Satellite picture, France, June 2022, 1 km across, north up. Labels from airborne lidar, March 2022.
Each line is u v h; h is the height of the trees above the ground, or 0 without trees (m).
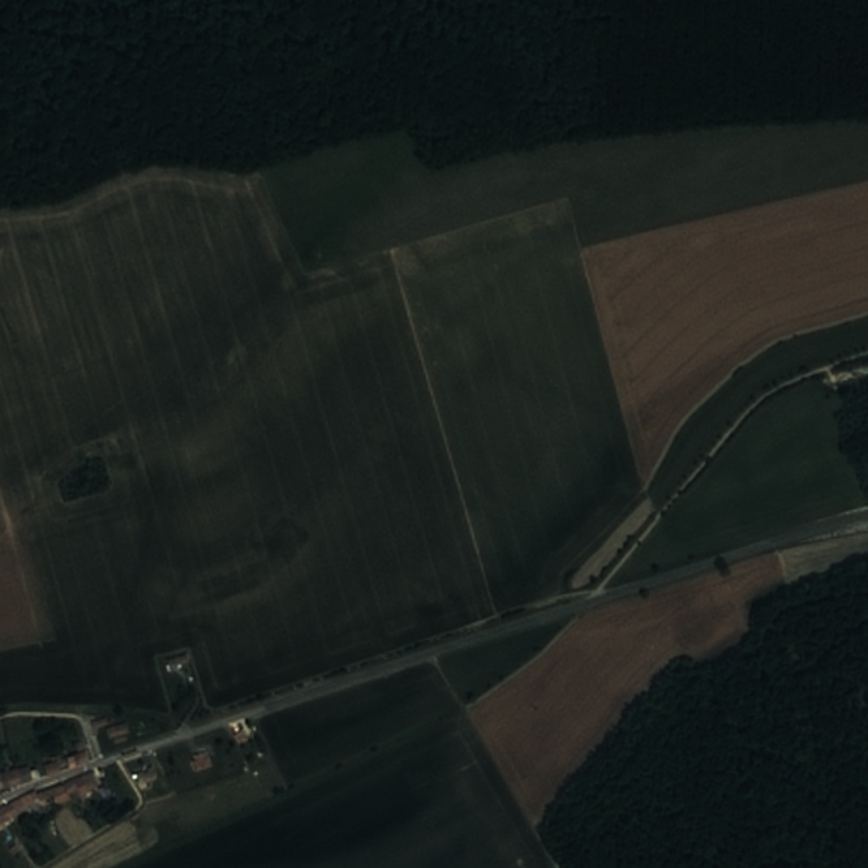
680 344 0
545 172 0
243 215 0
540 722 0
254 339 0
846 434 7
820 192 0
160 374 0
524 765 0
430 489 0
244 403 0
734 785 22
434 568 0
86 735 0
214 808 0
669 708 16
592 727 0
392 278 0
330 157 0
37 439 0
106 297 0
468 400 0
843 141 0
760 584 0
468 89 25
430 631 0
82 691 0
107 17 25
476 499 0
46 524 0
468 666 0
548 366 0
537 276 0
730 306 0
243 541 0
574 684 0
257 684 0
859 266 0
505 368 0
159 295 0
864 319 0
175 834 0
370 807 0
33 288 0
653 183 0
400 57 29
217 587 0
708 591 0
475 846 0
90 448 0
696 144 0
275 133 21
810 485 0
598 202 0
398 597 0
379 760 0
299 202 0
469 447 0
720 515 0
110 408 0
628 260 0
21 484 0
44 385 0
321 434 0
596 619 0
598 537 0
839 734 20
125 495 0
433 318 0
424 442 0
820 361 0
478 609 0
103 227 0
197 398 0
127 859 0
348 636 0
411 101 23
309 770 0
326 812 0
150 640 0
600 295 0
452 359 0
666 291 0
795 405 0
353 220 0
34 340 0
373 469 0
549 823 7
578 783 15
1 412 0
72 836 0
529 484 0
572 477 0
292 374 0
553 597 0
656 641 0
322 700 0
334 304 0
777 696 19
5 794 0
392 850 0
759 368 0
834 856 24
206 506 0
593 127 16
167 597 0
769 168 0
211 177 0
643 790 17
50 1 25
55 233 0
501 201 0
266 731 0
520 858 0
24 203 15
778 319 0
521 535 0
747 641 13
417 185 0
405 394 0
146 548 0
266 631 0
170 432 0
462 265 0
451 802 0
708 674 16
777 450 0
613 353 0
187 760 0
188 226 0
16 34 21
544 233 0
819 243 0
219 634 0
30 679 0
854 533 0
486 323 0
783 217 0
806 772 17
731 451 0
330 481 0
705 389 0
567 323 0
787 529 0
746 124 12
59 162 22
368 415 0
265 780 0
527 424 0
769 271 0
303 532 0
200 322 0
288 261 0
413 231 0
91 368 0
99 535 0
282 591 0
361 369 0
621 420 0
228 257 0
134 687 0
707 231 0
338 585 0
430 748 0
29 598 0
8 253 0
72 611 0
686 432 0
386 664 0
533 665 0
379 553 0
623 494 0
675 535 0
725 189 0
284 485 0
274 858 0
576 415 0
